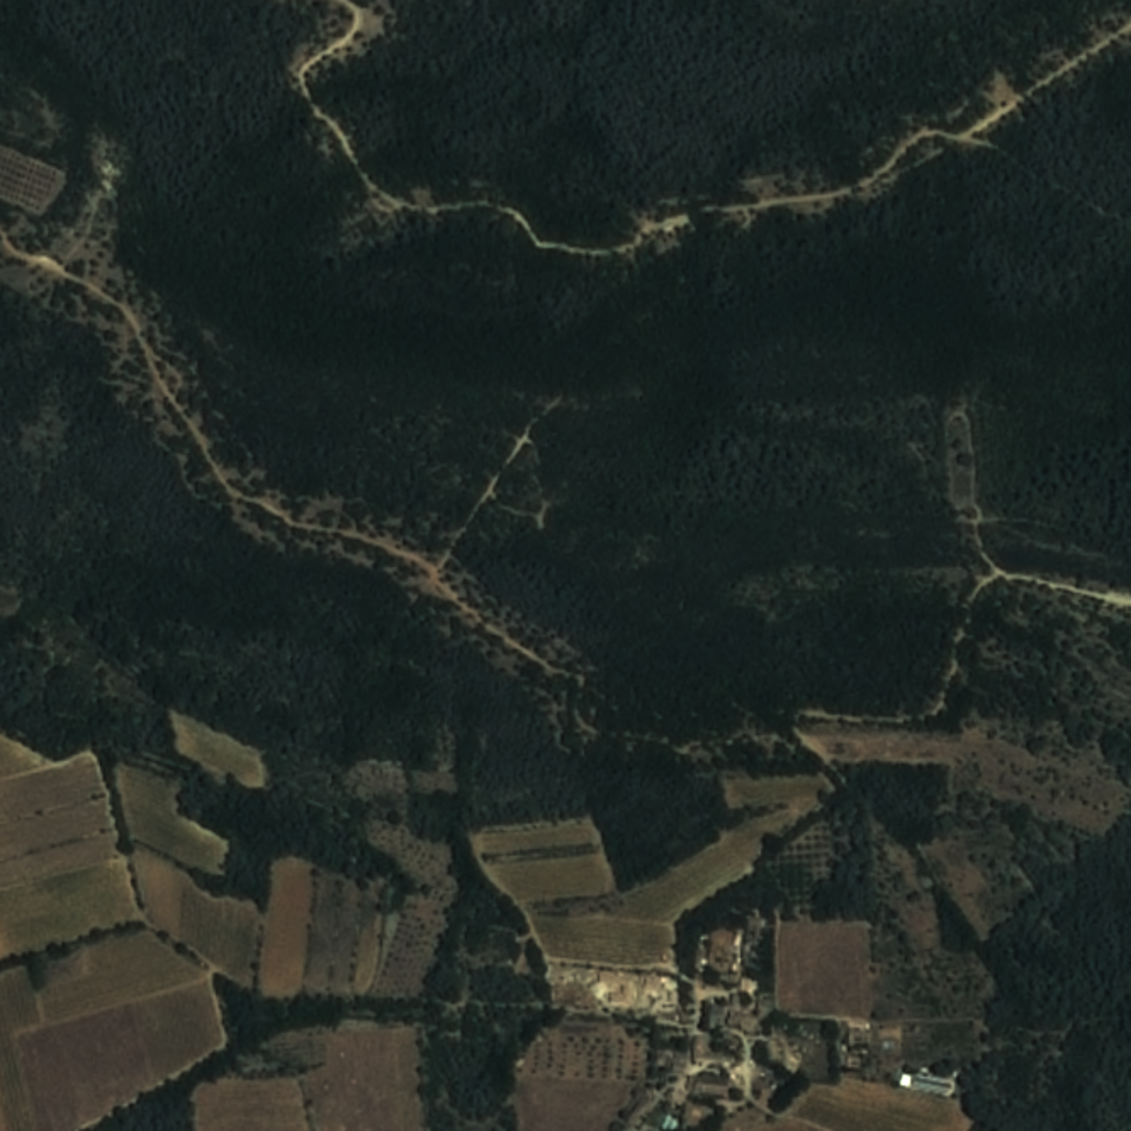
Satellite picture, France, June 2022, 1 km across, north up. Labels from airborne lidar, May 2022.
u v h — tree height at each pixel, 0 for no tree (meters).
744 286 6
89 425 6
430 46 16
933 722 11
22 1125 0
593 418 6
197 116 7
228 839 7
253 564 9
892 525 6
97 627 7
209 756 0
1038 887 12
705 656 6
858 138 9
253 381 7
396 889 7
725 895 9
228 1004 8
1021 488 6
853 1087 0
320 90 10
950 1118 0
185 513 7
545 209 9
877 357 6
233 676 12
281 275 12
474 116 16
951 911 14
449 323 11
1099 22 6
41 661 6
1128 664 10
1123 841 14
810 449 6
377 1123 0
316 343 12
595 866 0
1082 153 13
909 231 7
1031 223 9
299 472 7
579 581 6
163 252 7
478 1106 15
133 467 10
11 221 6
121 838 6
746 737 9
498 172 7
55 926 0
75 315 7
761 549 6
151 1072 0
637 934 0
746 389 6
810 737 0
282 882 0
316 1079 0
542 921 0
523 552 7
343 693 11
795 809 0
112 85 14
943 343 10
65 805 0
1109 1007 7
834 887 8
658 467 11
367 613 8
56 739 10
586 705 8
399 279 8
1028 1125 18
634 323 10
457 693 8
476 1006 9
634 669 8
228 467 7
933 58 7
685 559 7
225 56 16
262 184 8
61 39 14
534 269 12
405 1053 0
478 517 8
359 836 11
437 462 12
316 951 0
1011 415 6
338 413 7
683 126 14
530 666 7
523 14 7
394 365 9
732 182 11
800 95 19
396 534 6
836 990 0
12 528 11
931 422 7
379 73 10
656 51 17
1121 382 12
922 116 12
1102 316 12
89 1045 0
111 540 9
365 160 10
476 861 11
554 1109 0
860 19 10
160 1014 0
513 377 9
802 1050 0
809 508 7
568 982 0
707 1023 11
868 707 9
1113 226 14
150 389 11
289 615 6
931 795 14
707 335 9
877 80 7
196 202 10
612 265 9
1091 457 14
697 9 10
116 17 12
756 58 10
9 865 0
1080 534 11
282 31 13
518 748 12
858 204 6
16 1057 0
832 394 5
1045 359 7
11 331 6
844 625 11
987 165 10
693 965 8
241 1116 0
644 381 6
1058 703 14
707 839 6
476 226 15
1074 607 6
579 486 6
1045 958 12
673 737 11
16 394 6
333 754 11
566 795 12
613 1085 0
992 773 0
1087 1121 14
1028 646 10
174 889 0
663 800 10
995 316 8
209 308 9
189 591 8
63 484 8
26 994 0
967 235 10
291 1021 12
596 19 8
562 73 12
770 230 8
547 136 11
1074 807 0
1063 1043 7
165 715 7
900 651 7
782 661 9
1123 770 13
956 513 9
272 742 6
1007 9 6
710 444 10
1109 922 14
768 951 10
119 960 0
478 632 7
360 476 12
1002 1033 7
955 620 11
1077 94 14
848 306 11
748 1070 0
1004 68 12
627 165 7
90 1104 0
